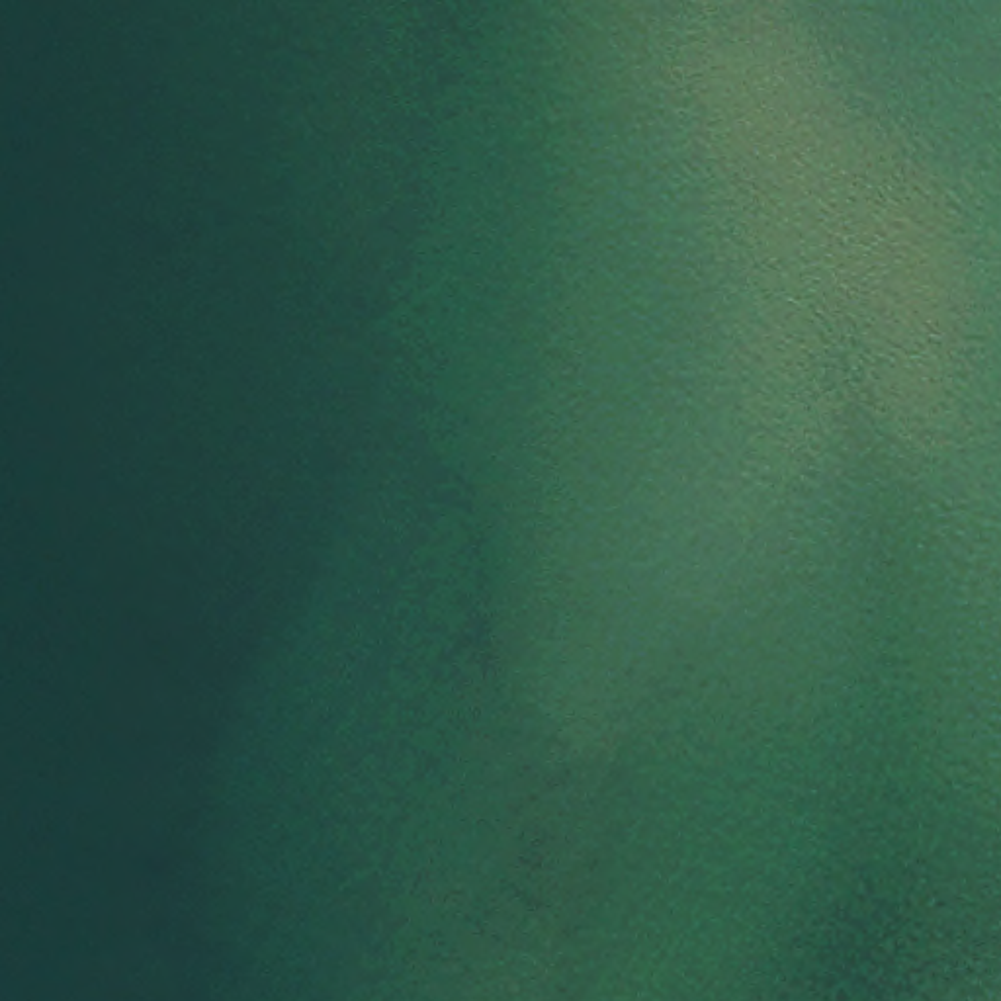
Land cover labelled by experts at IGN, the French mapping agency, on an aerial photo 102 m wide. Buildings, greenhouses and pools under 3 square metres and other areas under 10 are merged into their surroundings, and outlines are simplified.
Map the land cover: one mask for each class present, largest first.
<instances>
[{"label":"water","instance_id":"1","mask_svg":"<svg viewBox=\"0 0 1001 1001\"><path fill-rule=\"evenodd\" d=\"M0 1001H1001V0H0Z\"/></svg>","mask_w":1001,"mask_h":1001}]
</instances>
